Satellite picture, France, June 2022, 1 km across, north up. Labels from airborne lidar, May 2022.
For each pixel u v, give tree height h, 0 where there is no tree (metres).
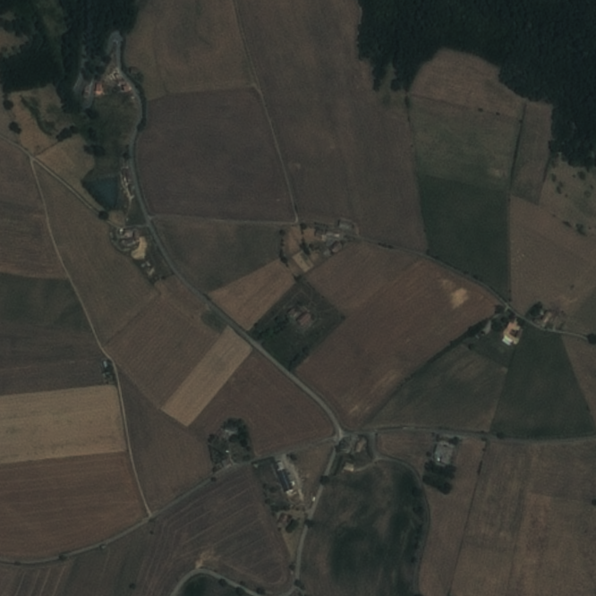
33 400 0
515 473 0
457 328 0
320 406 0
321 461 0
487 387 0
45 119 0
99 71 14
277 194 0
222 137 0
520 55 11
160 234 0
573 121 15
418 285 0
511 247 0
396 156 0
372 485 0
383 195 0
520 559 0
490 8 18
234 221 0
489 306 0
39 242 0
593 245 0
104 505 0
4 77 11
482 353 0
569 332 0
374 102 0
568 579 0
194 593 0
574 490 0
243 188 0
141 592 0
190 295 0
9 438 0
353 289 0
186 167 0
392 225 0
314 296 0
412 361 0
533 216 0
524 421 0
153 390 0
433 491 0
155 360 0
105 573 0
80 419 0
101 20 21
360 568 0
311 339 0
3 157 0
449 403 0
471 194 0
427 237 0
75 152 0
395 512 0
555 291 0
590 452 0
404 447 0
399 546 0
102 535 0
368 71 0
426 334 0
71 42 18
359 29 7
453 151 0
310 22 0
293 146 0
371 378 0
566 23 25
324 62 0
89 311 0
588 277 0
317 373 0
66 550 0
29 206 0
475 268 0
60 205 0
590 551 0
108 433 0
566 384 0
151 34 0
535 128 0
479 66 0
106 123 0
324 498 0
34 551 0
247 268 0
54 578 0
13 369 0
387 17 15
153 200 0
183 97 0
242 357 0
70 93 24
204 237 0
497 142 0
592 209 0
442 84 0
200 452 0
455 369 0
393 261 0
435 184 0
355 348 0
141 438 0
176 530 0
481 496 0
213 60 0
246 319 0
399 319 0
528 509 0
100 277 0
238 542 0
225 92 0
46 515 0
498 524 0
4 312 0
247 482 0
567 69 18
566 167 0
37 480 0
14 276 0
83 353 0
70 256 0
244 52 0
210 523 0
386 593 0
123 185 0
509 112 0
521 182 0
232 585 0
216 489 0
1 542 0
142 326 0
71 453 0
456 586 0
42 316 0
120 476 0
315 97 0
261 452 0
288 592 0
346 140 0
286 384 0
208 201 0
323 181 0
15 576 0
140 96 7
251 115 0
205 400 0
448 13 11
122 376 0
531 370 0
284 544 0
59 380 0
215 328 0
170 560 0
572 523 0
